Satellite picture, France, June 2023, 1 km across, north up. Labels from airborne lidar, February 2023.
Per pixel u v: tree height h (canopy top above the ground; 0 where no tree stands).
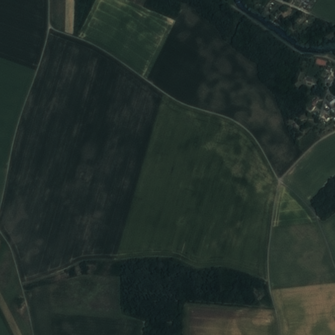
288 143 0
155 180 0
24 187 0
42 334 0
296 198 0
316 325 0
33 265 0
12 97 0
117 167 0
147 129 0
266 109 0
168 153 0
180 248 0
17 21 0
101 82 0
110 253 0
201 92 0
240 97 0
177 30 0
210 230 0
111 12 0
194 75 0
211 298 19
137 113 0
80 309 0
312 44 16
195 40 0
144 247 0
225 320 0
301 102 19
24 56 0
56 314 0
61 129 0
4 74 0
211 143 0
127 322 0
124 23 0
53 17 0
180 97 0
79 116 0
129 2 0
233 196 0
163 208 0
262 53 20
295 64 21
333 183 18
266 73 16
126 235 0
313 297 0
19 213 0
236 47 15
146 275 23
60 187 0
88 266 11
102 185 0
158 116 0
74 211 0
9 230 0
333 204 18
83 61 0
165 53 0
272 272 0
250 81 0
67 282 0
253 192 0
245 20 23
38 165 0
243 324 0
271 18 20
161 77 0
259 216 0
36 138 0
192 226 0
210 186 0
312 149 0
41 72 0
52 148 0
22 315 0
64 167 0
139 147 0
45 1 0
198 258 0
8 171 0
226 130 0
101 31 0
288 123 7
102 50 0
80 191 0
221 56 0
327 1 0
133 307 8
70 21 0
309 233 0
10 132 0
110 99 0
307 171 0
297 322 0
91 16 0
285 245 0
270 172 0
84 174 0
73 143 0
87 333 0
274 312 0
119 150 0
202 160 0
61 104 0
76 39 0
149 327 10
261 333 0
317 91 20
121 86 0
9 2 0
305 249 0
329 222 0
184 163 0
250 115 0
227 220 0
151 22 0
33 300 0
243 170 0
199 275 15
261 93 0
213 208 0
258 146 0
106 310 0
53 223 0
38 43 0
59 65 0
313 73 0
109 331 0
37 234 0
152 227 0
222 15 21
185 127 0
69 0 0
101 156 0
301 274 0
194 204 0
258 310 0
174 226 0
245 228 0
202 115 0
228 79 0
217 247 0
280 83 20
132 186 0
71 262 0
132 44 0
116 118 0
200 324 0
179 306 16
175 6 10
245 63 0
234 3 0
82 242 0
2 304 0
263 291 13
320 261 0
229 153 0
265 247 0
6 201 0
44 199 0
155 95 0
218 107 0
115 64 0
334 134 0
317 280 0
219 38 0
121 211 0
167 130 0
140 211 0
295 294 0
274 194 0
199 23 0
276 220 0
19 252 0
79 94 0
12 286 0
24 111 0
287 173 0
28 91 0
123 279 14
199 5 18
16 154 0
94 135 0
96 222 0
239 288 11
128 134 0
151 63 0
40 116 0
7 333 0
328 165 0
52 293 0
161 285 21
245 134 0
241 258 0
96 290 0
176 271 18
